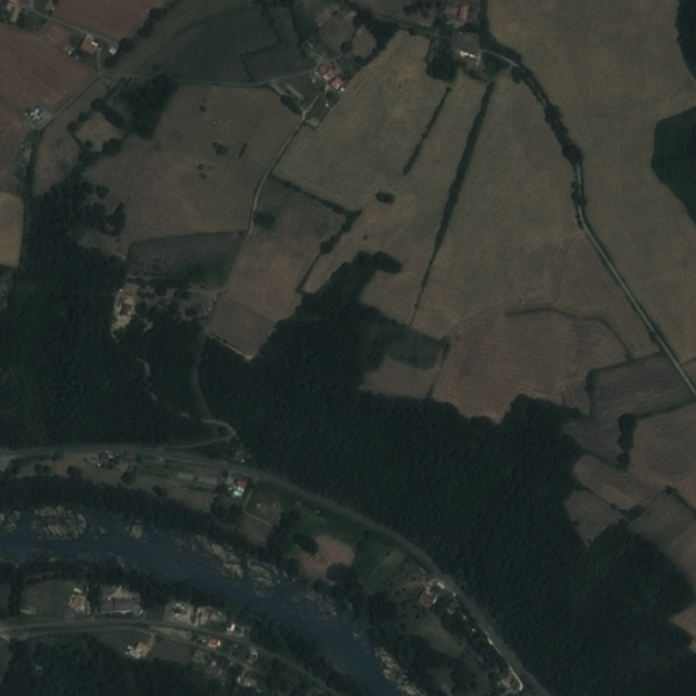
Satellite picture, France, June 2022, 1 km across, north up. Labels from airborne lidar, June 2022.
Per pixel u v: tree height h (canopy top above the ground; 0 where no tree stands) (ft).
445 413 53
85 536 0
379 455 49
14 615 44
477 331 0
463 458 50
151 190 0
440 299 0
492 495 74
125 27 0
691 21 53
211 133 0
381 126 0
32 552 0
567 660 41
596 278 0
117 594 0
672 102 0
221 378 69
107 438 61
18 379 26
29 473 0
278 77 0
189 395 49
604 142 0
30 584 30
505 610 52
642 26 0
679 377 0
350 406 45
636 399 0
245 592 0
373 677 0
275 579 0
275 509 41
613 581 44
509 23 0
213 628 0
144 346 58
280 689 51
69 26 0
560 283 0
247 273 0
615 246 0
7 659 0
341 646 0
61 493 134
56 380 77
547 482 70
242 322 0
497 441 34
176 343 43
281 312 0
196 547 0
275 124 0
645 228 0
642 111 0
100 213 37
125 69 0
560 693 47
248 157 0
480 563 29
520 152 0
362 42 0
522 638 50
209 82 0
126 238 0
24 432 23
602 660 40
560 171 0
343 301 52
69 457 0
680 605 32
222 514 104
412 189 0
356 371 37
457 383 0
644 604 27
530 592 52
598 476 0
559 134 32
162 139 0
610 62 0
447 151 0
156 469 0
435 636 0
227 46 0
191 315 40
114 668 28
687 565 0
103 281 46
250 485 26
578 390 0
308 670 54
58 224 74
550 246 0
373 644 78
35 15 0
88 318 33
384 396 26
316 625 0
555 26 0
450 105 0
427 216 0
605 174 0
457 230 0
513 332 0
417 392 0
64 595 0
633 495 0
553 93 0
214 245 0
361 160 0
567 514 28
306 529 0
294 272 0
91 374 49
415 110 0
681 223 0
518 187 0
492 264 0
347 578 131
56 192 67
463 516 34
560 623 46
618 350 0
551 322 0
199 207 0
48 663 33
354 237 0
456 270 0
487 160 0
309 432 36
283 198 0
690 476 0
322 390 57
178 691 42
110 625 0
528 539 41
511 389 0
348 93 0
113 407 52
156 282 36
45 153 0
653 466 0
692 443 0
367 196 0
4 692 55
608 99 0
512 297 0
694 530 0
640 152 0
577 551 26
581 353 0
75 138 20
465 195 0
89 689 52
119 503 112
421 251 0
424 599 0
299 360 77
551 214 0
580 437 0
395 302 0
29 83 0
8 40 0
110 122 48
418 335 0
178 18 0
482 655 88
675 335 0
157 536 0
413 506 63
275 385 66
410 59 0
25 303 27
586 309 0
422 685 97
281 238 0
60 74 0
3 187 0
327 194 0
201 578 0
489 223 0
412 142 0
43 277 45
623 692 39
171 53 0
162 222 0
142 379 54
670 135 18
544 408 64
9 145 0
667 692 68
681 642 32
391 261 40
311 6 0
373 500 46
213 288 0
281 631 33
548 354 0
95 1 0
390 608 96
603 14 0
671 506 0
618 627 35
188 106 0
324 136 0
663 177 19
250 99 0
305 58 25
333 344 59
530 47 0
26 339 48
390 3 0
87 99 0
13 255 0
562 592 41
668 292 0
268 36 0
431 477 61
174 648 0
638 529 0
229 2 0
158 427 29
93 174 0
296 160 0
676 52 0
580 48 0
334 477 42
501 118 0
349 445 44
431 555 45
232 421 46
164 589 79
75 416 34
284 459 49
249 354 0
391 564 0
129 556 0
